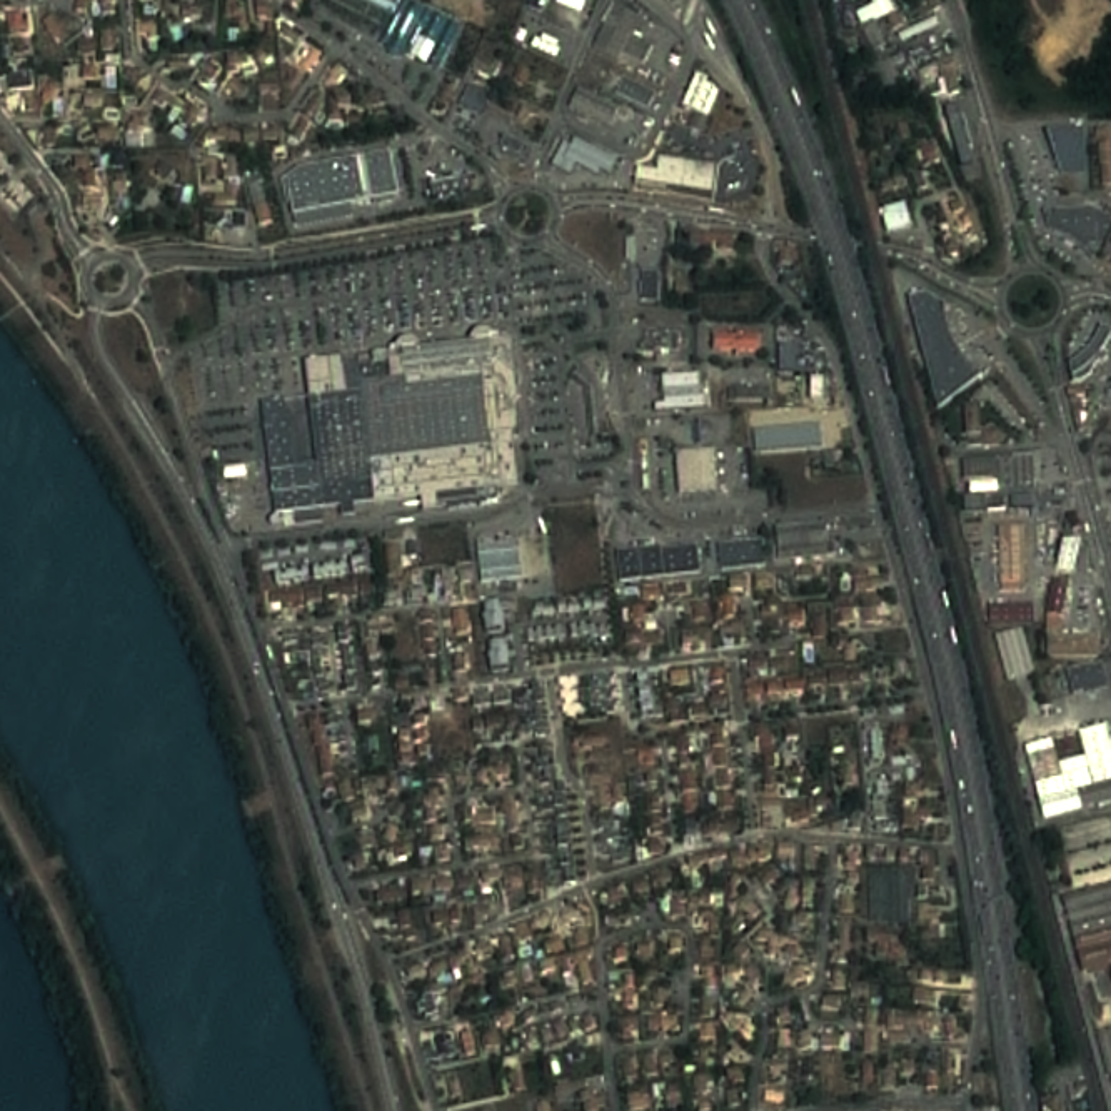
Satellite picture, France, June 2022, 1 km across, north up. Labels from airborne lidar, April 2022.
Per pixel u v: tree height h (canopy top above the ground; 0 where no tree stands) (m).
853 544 13
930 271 0
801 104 0
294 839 0
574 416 0
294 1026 0
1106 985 0
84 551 0
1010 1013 0
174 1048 0
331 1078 9
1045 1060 11
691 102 0
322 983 0
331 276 6
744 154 0
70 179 0
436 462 0
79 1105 14
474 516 0
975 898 0
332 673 0
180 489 0
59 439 0
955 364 0
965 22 0
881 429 0
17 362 0
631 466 0
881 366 0
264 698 0
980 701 8
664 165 0
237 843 0
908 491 0
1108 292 0
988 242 6
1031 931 13
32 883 6
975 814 0
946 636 0
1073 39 0
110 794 0
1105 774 0
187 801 0
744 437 0
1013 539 0
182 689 0
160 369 0
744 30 0
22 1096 0
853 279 0
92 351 0
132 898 0
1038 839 12
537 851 0
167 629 0
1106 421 0
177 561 0
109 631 0
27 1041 0
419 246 6
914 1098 0
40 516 0
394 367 0
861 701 8
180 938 0
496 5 0
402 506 0
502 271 0
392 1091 0
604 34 0
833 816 12
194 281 14
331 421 0
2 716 0
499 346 0
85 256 0
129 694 0
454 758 0
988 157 0
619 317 0
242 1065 0
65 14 0
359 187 0
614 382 0
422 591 0
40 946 15
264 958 0
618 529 0
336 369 0
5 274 0
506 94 12
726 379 0
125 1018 8
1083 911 0
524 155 0
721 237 0
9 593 0
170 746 0
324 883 0
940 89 0
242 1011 0
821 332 0
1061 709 0
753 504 0
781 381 0
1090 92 7
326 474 0
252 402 0
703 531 0
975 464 0
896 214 0
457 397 0
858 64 15
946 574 10
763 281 7
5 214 0
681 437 0
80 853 0
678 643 0
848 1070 7
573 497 0
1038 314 0
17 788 9
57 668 0
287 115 0
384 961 0
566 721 7
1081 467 0
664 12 0
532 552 0
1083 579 0
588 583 0
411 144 0
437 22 0
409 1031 0
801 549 0
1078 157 0
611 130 0
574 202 0
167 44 11
